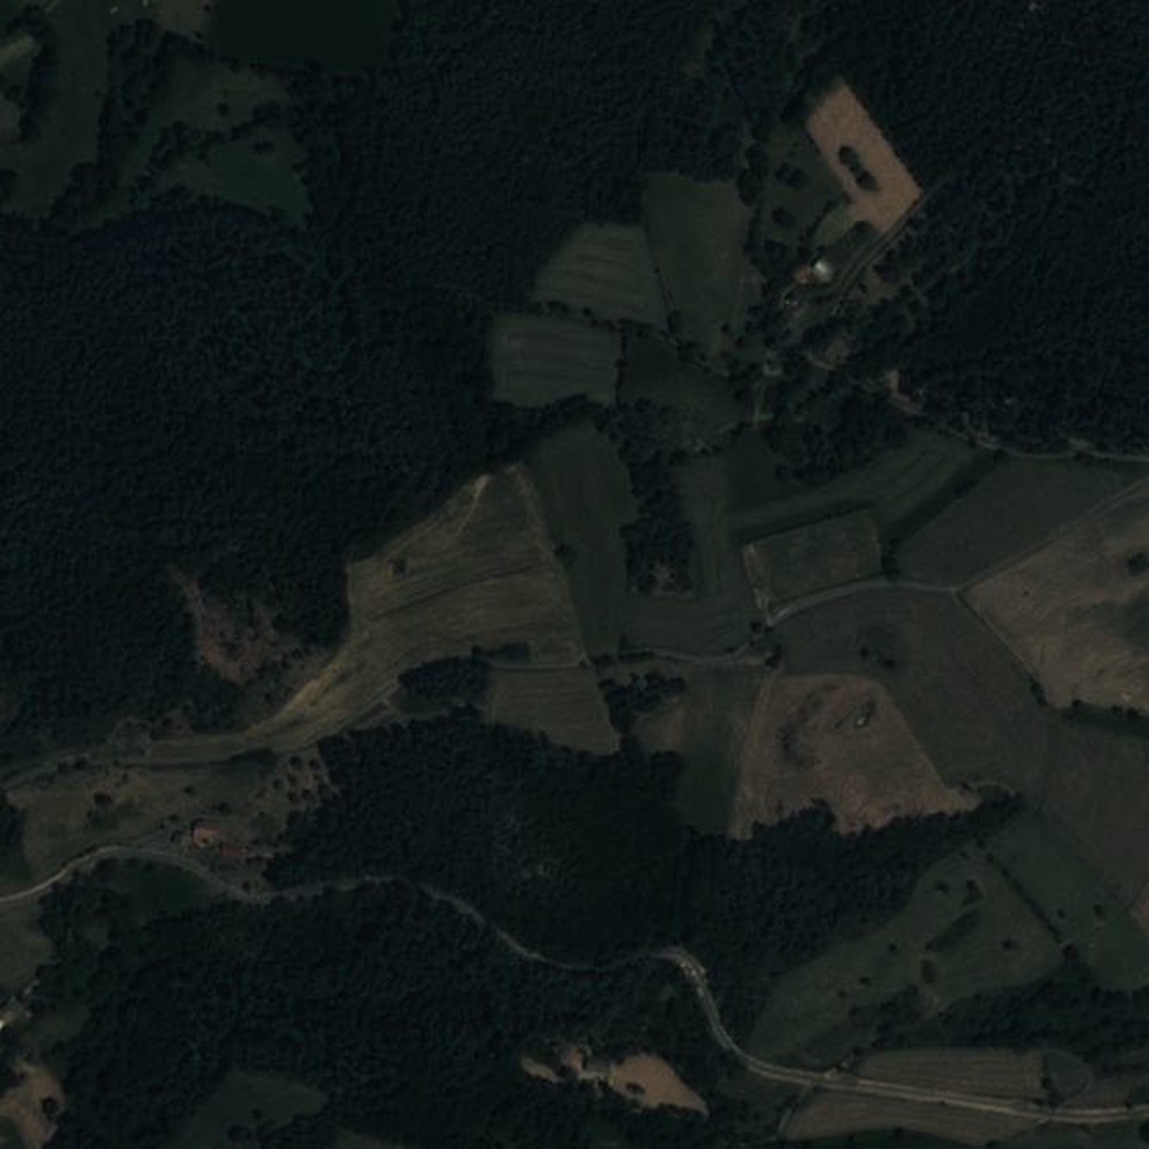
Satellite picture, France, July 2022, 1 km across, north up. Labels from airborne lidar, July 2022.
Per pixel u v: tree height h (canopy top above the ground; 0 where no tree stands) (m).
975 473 0
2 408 30
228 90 0
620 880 16
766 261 14
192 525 16
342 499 12
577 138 16
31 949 0
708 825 0
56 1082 0
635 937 18
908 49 20
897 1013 11
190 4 0
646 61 31
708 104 18
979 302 16
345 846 28
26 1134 0
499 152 21
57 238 38
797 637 0
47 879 0
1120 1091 0
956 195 21
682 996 7
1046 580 0
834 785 0
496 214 26
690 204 0
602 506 0
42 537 15
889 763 0
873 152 0
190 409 28
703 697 0
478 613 0
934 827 17
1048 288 23
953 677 0
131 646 21
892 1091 0
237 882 0
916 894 0
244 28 0
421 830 19
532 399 0
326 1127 14
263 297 19
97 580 20
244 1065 31
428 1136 21
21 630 21
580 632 0
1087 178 15
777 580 0
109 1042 24
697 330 0
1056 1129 0
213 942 11
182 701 8
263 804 0
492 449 21
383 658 0
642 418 12
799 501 0
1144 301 19
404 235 21
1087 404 11
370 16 0
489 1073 26
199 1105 13
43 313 39
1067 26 10
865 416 15
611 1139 0
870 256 0
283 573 7
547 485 0
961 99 26
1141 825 0
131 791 0
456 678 23
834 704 0
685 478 0
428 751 27
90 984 6
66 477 24
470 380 20
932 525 0
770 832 15
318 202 19
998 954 0
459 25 18
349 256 27
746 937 12
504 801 16
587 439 0
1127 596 0
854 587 0
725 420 0
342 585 9
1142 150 13
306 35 0
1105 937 0
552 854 8
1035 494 0
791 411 11
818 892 14
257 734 0
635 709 10
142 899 0
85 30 0
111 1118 21
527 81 19
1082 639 0
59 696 10
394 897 24
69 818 0
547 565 0
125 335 35
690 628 0
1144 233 10
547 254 20
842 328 15
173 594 11
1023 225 21
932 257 7
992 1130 0
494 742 9
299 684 0
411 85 21
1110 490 0
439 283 16
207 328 22
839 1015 0
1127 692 0
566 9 27
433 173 30
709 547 0
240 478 15
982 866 0
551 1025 27
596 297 0
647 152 21
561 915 12
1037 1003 11
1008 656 0
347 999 31
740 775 0
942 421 8
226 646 7
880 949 0
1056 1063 0
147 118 18
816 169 0
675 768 19
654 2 31
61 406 38
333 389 20
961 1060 0
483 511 0
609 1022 13
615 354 0
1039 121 23
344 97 15
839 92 0
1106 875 0
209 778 0
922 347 15
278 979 24
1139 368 29
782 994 0
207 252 31
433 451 23
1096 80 19
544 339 0
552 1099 22
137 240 36
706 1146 19
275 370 21
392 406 19
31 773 0
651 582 9
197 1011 28
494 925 19
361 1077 26
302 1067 28
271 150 10
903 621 0
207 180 0
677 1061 16
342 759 23
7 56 0
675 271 0
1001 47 21
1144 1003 15
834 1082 0
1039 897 0
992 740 0
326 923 18
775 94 18
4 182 15
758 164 17
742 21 16
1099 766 0
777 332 6
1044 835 0
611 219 6
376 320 22
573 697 0
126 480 20
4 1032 8
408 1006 21
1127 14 23
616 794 16
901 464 0
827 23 9
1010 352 32
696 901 22
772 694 0
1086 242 20
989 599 0
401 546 0
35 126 20
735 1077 11
